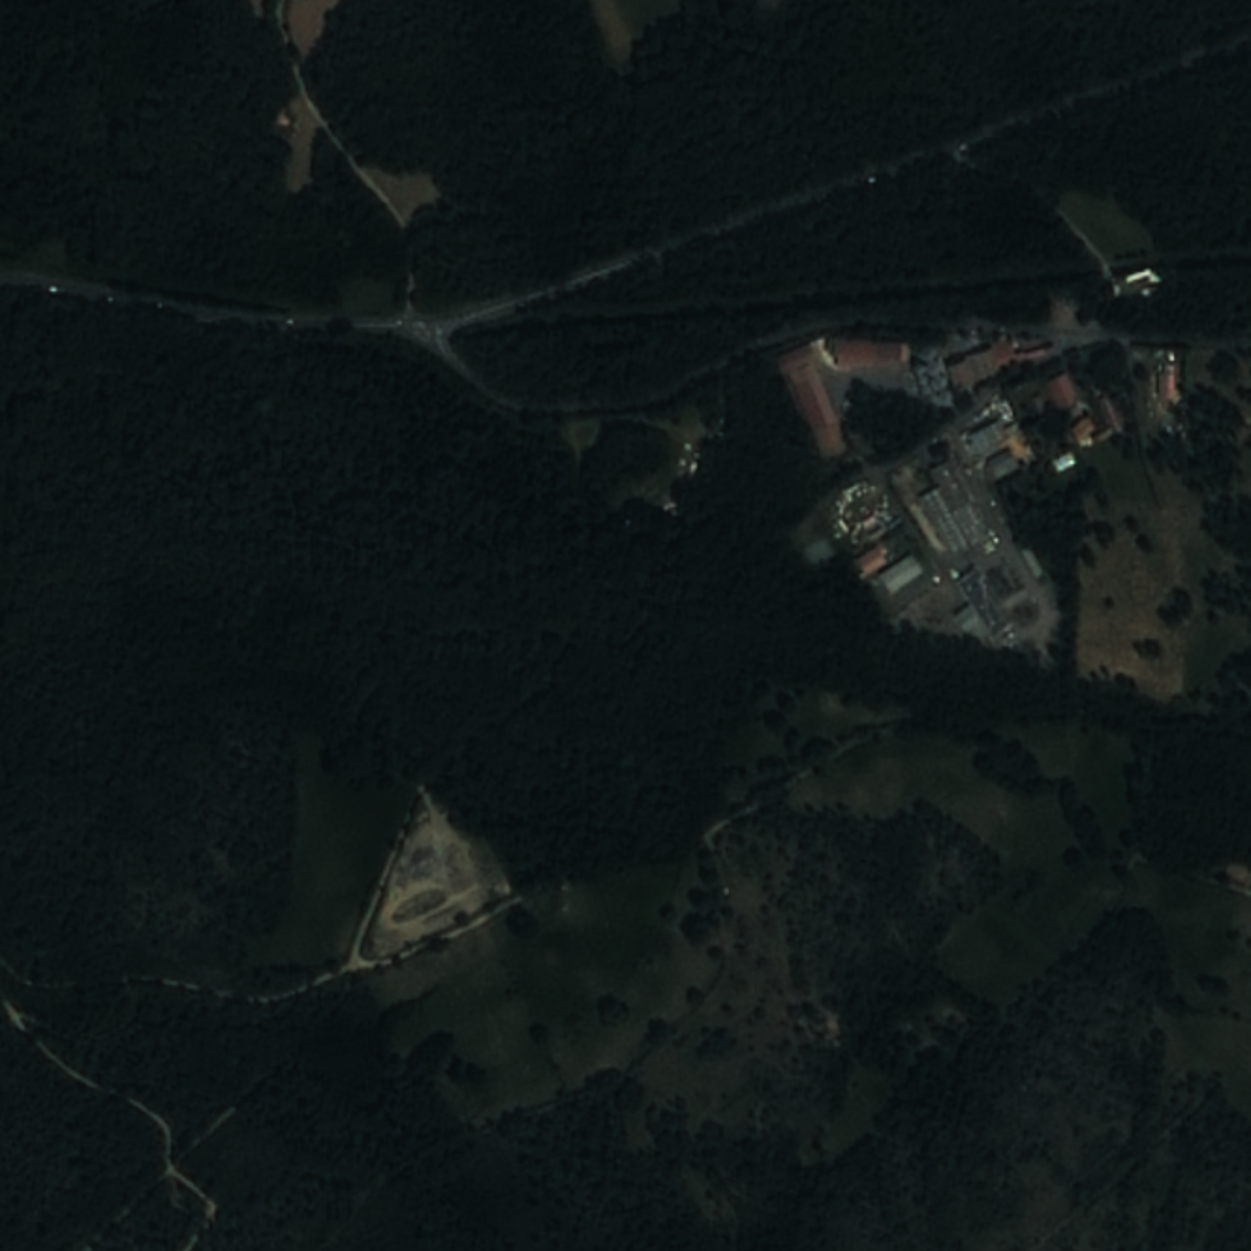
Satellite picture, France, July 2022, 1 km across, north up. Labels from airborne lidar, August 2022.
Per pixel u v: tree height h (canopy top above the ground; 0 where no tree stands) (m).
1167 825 13
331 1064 11
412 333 0
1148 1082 10
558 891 8
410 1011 10
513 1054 0
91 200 13
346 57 11
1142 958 10
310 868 0
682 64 21
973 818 0
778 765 13
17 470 20
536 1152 10
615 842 16
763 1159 15
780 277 11
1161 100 12
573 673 18
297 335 13
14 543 16
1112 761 0
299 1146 17
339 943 0
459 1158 17
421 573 21
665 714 17
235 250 17
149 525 16
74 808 17
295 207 14
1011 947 0
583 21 18
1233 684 14
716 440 7
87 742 16
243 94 13
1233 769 13
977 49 19
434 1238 18
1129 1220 6
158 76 7
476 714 19
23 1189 8
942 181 18
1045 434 14
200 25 14
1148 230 8
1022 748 14
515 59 18
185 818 16
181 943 0
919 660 15
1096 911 0
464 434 22
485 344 12
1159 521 0
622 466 14
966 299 16
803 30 17
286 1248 16
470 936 0
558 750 15
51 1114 8
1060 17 14
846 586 10
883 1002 15
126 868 10
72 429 18
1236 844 13
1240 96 18
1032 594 0
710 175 18
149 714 19
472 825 19
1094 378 14
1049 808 0
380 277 10
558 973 0
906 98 13
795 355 0
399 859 0
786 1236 16
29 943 18
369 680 28
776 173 13
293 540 20
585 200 19
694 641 15
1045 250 14
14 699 17
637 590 17
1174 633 0
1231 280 15
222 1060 12
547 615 14
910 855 12
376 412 23
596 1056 0
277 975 11
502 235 17
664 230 19
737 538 20
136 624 15
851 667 15
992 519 0
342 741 21
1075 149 12
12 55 13
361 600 17
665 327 14
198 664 16
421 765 23
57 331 17
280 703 16
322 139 13
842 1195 11
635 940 0
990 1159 10
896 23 7
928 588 0
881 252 21
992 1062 15
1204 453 16
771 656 20
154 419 16
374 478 22
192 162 18
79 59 8
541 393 13
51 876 9
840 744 8
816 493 11
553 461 14
